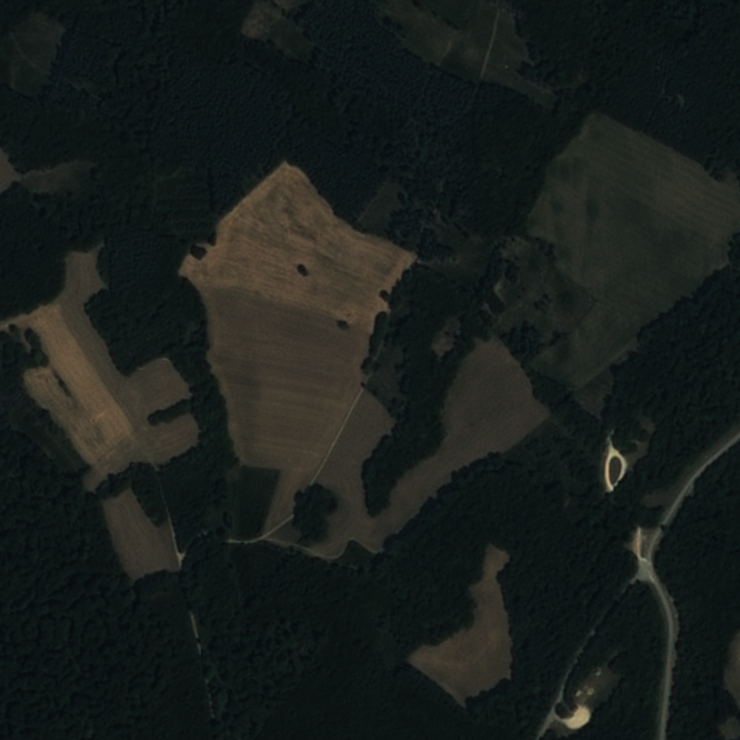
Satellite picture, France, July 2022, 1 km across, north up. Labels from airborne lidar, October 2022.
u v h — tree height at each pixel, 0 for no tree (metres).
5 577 26
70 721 23
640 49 10
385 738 8
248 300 0
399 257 0
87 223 8
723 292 23
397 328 14
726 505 22
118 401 0
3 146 19
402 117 16
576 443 6
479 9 0
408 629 18
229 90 23
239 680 26
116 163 17
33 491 19
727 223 0
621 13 14
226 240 0
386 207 0
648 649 12
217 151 26
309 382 0
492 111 16
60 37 0
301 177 0
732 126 10
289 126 20
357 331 0
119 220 12
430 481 0
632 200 0
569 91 16
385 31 23
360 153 21
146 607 24
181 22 28
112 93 21
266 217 0
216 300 0
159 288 19
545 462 8
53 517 21
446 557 22
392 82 27
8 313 17
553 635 17
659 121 10
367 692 11
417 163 21
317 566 12
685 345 20
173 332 7
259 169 22
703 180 0
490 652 0
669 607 0
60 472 21
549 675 17
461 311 20
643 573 0
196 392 16
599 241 0
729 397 18
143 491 13
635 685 18
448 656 0
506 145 21
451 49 0
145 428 0
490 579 0
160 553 0
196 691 9
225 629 16
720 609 21
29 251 20
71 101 23
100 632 28
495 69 0
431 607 17
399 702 13
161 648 26
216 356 0
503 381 0
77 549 13
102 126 20
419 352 16
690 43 22
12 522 24
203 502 14
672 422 11
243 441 0
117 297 16
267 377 0
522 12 22
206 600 19
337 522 0
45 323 0
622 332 0
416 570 20
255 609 15
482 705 22
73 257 0
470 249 0
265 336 0
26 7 20
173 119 22
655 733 10
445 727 9
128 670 24
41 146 18
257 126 25
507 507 22
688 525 19
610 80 12
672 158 0
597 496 15
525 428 0
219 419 20
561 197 0
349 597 15
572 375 0
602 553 22
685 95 8
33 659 25
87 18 23
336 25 26
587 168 0
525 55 0
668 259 0
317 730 8
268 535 0
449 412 0
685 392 17
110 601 28
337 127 10
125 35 22
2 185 0
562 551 15
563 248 0
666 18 11
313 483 0
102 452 0
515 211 15
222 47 20
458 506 26
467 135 25
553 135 20
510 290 0
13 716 28
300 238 0
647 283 0
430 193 14
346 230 0
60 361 0
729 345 22
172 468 8
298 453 0
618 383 10
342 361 0
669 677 0
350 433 0
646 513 21
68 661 21
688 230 0
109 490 12
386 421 0
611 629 15
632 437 15
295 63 20
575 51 20
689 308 23
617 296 0
